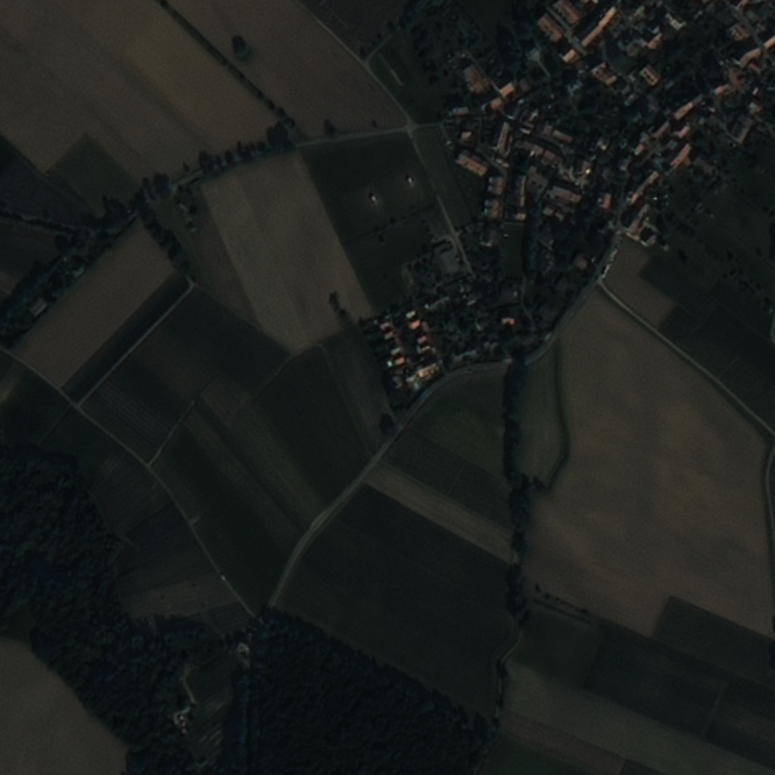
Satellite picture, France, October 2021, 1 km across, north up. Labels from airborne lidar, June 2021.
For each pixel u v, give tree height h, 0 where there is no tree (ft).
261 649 66
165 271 0
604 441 0
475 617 0
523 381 49
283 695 79
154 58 0
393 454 0
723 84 32
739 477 0
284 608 0
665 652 0
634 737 0
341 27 0
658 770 0
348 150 0
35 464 72
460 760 74
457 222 0
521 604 46
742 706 0
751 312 0
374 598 0
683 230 24
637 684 0
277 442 0
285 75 0
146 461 0
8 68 0
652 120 58
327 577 0
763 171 22
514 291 0
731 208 0
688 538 0
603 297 0
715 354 0
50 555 60
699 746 0
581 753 0
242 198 0
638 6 27
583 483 0
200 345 0
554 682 0
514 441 48
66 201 0
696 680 0
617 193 28
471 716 0
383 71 0
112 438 0
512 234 0
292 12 0
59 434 0
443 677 0
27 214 0
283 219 0
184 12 0
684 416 0
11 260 0
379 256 0
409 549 0
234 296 0
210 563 0
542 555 0
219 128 0
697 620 0
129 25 0
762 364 0
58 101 0
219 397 0
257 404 0
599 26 35
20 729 0
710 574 0
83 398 0
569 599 0
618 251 0
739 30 29
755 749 0
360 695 80
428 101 0
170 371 0
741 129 0
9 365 0
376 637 0
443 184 0
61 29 0
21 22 0
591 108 58
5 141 0
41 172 0
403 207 0
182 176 0
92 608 72
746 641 0
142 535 0
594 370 0
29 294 38
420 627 0
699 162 0
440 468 0
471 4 0
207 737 0
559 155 0
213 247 0
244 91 0
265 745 64
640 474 0
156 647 93
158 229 64
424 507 0
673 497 0
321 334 0
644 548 0
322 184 0
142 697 83
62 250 38
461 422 0
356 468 0
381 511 0
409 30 36
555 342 0
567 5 37
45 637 37
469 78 20
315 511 0
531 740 0
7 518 66
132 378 0
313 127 0
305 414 0
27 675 0
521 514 56
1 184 0
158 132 0
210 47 0
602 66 0
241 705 50
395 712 81
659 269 0
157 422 0
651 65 27
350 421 0
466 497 0
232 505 0
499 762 0
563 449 0
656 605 0
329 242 0
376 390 0
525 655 0
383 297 0
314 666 73
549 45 22
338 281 0
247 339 0
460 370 0
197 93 0
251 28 0
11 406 0
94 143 0
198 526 0
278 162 0
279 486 0
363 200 0
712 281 0
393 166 0
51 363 0
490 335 39
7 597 53
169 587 0
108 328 0
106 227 27
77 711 0
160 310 0
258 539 0
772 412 0
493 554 0
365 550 0
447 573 0
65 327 0
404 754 78
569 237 44
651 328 0
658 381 0
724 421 0
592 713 0
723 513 0
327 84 0
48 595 76
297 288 0
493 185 31
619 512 0
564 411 0
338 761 81
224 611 0
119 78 0
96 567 38
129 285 0
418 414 0
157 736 84
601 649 0
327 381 0
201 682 0
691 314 0
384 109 0
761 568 0
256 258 0
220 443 0
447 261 0
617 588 0
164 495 0
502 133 0
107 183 0
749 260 0
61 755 0
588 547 0
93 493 0
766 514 0
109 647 21
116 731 58
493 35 0
